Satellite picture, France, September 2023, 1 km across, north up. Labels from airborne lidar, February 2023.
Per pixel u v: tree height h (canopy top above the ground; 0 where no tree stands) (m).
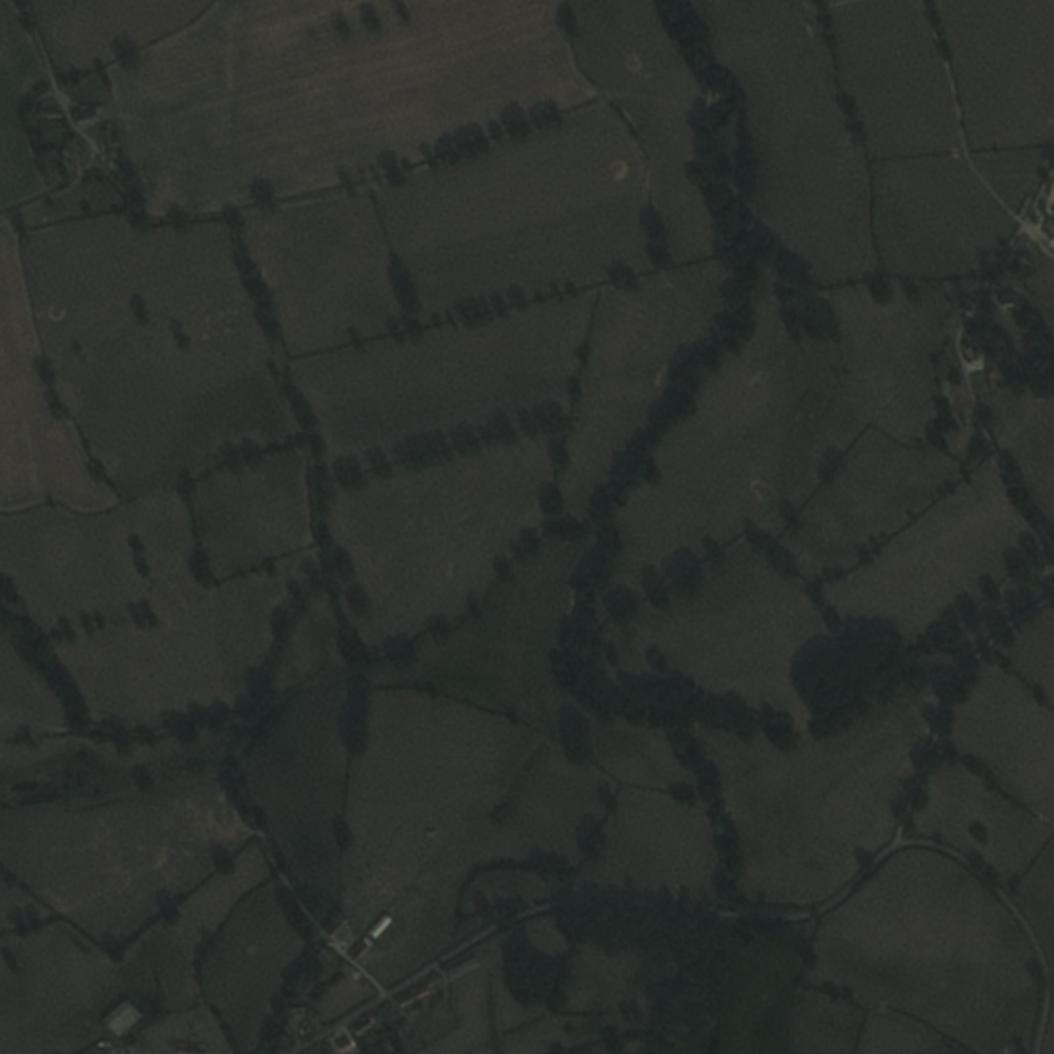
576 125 0
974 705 0
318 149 0
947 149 0
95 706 0
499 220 0
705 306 0
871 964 0
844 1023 0
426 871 0
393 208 0
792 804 0
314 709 0
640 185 0
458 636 0
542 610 0
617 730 0
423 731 0
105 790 0
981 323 15
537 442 0
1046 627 0
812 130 0
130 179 18
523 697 0
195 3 0
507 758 0
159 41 0
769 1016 0
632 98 0
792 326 16
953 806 0
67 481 0
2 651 0
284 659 0
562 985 10
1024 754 0
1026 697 0
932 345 0
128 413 0
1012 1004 0
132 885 0
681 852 0
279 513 0
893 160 0
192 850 0
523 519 0
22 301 0
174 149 0
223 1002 0
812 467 0
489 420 0
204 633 0
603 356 0
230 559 0
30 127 10
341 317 0
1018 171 0
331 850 0
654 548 0
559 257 0
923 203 0
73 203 0
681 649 0
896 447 0
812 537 0
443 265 0
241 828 0
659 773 0
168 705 0
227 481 0
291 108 0
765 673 0
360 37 0
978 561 0
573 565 0
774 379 0
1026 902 0
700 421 0
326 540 18
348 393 0
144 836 0
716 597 0
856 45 0
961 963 0
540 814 0
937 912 0
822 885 0
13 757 0
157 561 0
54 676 17
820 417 0
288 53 0
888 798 0
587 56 0
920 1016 0
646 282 0
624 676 8
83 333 0
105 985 0
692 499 0
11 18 0
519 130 23
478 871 6
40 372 14
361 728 21
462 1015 0
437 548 0
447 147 18
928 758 14
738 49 0
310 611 0
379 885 0
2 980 0
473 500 0
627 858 0
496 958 0
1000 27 0
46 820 0
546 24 0
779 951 0
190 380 0
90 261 0
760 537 17
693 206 0
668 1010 20
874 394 0
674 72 0
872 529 0
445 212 0
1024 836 0
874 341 0
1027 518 15
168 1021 0
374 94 0
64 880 0
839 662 27
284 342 0
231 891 0
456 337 0
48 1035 0
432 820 0
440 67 0
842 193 0
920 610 0
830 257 0
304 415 23
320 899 0
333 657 0
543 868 19
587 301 0
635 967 0
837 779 0
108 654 0
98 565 0
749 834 0
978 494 0
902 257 0
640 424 0
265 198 21
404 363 0
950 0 0
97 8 0
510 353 0
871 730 0
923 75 0
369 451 0
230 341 0
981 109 0
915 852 0
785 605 0
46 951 0
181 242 0
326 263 0
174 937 0
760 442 0
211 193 0
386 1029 8
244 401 0
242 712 19
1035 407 0
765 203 0
